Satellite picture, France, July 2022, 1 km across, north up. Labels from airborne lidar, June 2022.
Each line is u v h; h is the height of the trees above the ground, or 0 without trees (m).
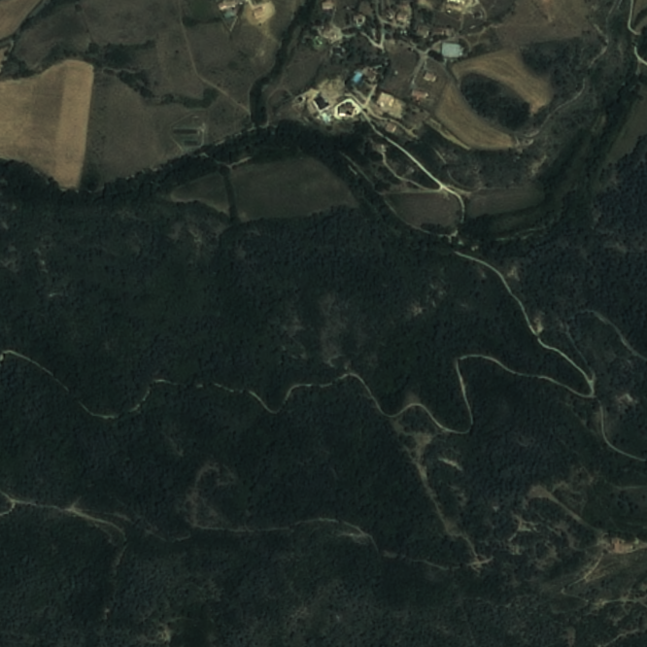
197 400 14
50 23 0
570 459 9
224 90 0
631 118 0
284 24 0
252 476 7
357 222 9
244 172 0
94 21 0
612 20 6
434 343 11
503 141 0
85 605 7
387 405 12
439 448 7
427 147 6
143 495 7
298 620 8
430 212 0
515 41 0
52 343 12
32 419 6
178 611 8
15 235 8
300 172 0
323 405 6
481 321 12
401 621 11
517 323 8
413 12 6
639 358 11
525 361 12
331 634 6
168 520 8
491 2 0
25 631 8
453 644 10
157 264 10
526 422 5
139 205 10
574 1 0
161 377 12
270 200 0
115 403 8
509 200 0
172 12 0
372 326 8
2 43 0
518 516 10
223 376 15
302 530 9
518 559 7
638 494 0
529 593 8
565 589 9
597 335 11
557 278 11
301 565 6
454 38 0
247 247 6
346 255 8
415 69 0
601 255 12
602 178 11
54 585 7
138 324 7
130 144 0
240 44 0
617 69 7
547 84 0
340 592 11
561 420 10
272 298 7
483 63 0
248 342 9
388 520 9
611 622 7
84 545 9
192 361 8
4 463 6
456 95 0
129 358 7
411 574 6
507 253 9
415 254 11
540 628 9
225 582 7
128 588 9
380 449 11
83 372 7
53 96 0
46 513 7
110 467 11
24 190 15
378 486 8
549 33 0
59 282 12
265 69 0
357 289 7
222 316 7
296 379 7
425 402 7
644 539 8
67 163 0
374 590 7
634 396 8
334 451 7
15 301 7
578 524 11
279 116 0
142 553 7
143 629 8
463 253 12
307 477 11
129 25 0
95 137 0
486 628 7
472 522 6
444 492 7
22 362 10
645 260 9
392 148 7
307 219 8
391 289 8
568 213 13
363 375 8
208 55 0
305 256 7
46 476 6
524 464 12
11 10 0
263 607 9
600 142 9
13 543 10
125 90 0
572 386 7
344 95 0
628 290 10
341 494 12
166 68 0
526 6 0
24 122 0
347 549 8
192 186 0
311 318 7
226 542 8
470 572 6
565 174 11
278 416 9
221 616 8
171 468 9
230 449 6
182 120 0
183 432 8
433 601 6
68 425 10
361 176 9
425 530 6
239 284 13
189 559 8
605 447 6
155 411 9
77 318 6
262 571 7
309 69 0
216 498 8
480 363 10
